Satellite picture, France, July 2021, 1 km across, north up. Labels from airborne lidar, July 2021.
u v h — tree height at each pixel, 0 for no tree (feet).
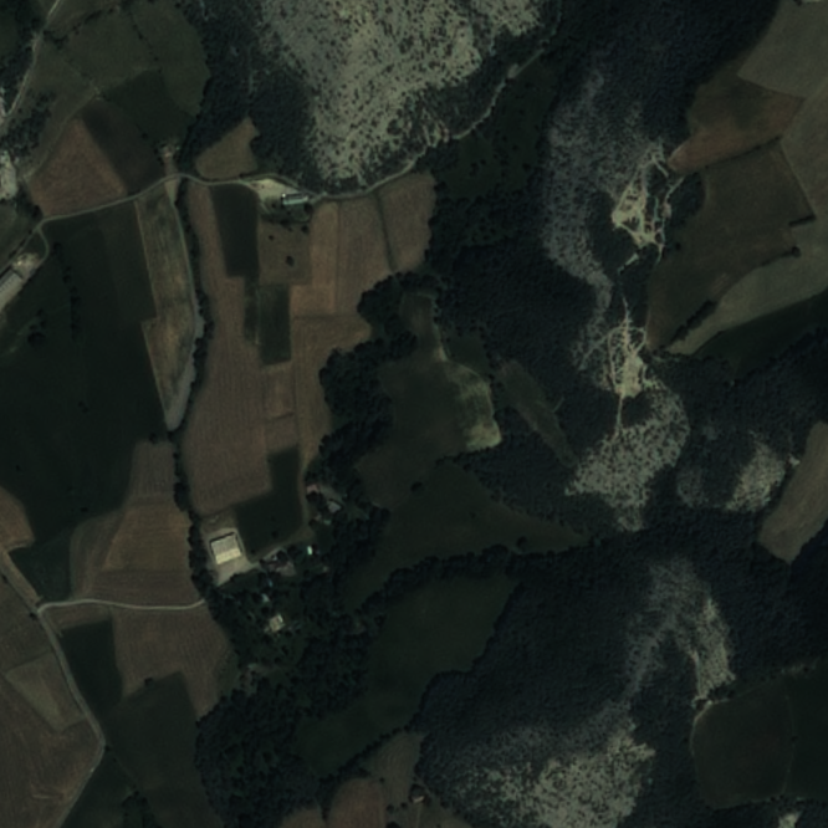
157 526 0
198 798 0
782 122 0
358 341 0
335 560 64
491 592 0
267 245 0
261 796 46
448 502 0
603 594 54
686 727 26
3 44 0
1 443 0
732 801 0
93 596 0
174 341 0
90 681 0
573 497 24
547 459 38
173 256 0
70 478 0
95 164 0
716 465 31
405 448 0
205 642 0
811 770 0
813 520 0
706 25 62
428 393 0
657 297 0
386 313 57
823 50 0
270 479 0
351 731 0
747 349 0
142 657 0
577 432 30
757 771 0
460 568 85
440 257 80
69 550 0
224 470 0
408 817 0
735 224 0
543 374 43
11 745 0
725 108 0
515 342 54
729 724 0
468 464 28
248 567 0
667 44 31
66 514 0
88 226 0
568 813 0
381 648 0
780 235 0
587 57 39
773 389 31
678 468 26
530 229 45
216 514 0
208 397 0
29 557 0
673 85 44
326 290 0
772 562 56
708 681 0
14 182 0
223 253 0
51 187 0
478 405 0
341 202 0
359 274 0
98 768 0
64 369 0
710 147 0
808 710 0
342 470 71
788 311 0
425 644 0
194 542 58
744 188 0
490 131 46
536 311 43
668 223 19
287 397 0
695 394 43
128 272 0
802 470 0
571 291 38
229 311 0
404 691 0
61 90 0
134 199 0
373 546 48
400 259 0
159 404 0
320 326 0
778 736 0
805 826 29
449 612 0
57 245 39
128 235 0
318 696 62
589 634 40
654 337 0
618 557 60
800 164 0
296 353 0
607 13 37
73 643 0
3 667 0
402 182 0
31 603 0
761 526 38
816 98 0
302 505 0
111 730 0
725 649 0
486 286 63
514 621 65
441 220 44
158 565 0
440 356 0
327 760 0
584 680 40
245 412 0
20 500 0
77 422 0
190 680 0
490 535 0
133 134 0
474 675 54
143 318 0
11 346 0
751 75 0
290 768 63
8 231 0
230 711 77
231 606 69
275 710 44
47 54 0
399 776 0
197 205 0
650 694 32
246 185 0
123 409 0
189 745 0
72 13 0
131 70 0
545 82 0
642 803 21
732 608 49
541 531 0
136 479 0
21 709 0
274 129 32
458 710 59
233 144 0
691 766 47
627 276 27
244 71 25
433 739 41
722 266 0
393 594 73
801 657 25
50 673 0
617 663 29
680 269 0
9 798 0
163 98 0
